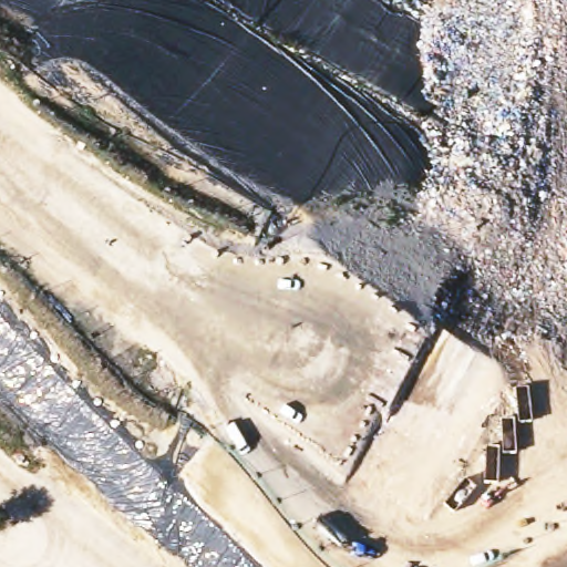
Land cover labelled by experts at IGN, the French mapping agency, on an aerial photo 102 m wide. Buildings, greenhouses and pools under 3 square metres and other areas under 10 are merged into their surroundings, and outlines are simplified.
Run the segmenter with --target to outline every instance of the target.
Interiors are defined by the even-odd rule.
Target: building
[[[518,412],[512,419],[503,421],[503,439],[496,447],[487,447],[485,474],[492,481],[503,481],[503,454],[512,454],[520,461],[523,450],[518,447],[518,423],[534,425],[534,421],[538,419],[534,414],[532,385],[525,385],[516,392]]]

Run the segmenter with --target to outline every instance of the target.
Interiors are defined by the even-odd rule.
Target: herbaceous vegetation
[[[11,425],[4,414],[0,414],[0,450],[7,454],[18,454],[22,447],[27,447],[27,443],[24,432],[18,425]]]

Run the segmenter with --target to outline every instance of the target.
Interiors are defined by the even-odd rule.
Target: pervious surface
[[[503,481],[492,481],[485,474],[487,447],[496,447],[503,439],[503,421],[512,419],[518,412],[516,392],[525,385],[532,385],[534,414],[538,419],[534,421],[534,425],[518,423],[518,447],[523,450],[520,461],[512,454],[503,454]],[[18,454],[7,454],[0,450],[0,567],[567,567],[567,0],[0,0],[0,414],[4,414],[11,425],[18,425],[24,432],[27,443],[27,447],[22,447]]]

